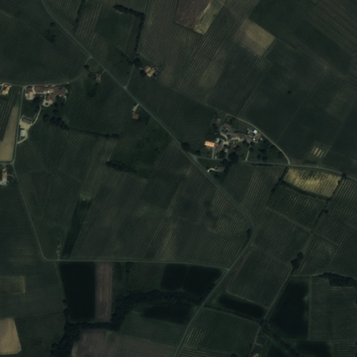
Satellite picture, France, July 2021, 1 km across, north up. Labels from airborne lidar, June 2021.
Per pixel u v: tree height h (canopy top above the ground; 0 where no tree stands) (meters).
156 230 0
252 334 0
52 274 0
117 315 14
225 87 0
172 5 0
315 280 0
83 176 0
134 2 0
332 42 0
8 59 0
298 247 0
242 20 0
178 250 0
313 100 0
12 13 0
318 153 0
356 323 0
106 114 0
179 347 0
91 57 0
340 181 8
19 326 0
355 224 0
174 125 0
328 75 0
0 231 0
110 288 0
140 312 0
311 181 0
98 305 0
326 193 0
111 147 0
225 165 14
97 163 0
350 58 0
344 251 0
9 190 0
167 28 0
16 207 0
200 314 0
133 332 0
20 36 0
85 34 0
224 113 0
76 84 0
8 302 0
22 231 0
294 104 0
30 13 0
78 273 0
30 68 0
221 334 0
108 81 0
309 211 0
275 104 0
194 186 0
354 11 0
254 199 0
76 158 0
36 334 0
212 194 0
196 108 0
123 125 0
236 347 0
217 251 0
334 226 0
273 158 0
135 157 0
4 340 0
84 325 12
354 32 0
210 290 7
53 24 12
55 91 0
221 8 0
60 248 0
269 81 0
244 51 0
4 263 0
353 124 0
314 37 0
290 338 0
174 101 0
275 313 0
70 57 0
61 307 0
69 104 0
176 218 0
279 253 0
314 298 0
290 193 0
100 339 0
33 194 0
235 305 0
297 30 0
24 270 0
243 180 0
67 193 0
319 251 0
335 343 0
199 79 0
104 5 0
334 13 0
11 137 0
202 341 0
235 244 0
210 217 0
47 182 0
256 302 0
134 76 0
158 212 0
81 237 0
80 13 8
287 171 9
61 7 0
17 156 0
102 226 0
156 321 0
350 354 0
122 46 0
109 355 0
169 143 0
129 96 0
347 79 0
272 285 0
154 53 0
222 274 0
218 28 0
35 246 0
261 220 0
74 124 0
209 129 0
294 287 0
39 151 0
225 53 0
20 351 0
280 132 0
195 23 0
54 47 0
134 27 0
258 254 0
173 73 0
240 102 0
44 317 0
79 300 0
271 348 0
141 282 0
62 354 18
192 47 0
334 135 0
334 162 0
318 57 0
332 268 0
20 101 0
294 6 0
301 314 0
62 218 0
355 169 0
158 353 0
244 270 0
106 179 0
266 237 0
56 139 0
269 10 0
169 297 13
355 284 10
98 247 0
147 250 0
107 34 0
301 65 0
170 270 0
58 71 0
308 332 0
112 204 0
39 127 0
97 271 0
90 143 0
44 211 0
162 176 0
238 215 0
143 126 0
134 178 0
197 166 0
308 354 0
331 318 0
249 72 0
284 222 0
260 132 0
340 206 0
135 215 0
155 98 0
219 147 0
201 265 0
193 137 0
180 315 0
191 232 0
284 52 0
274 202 0
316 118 0
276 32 0
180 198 0
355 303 0
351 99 0
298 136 0
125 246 0
